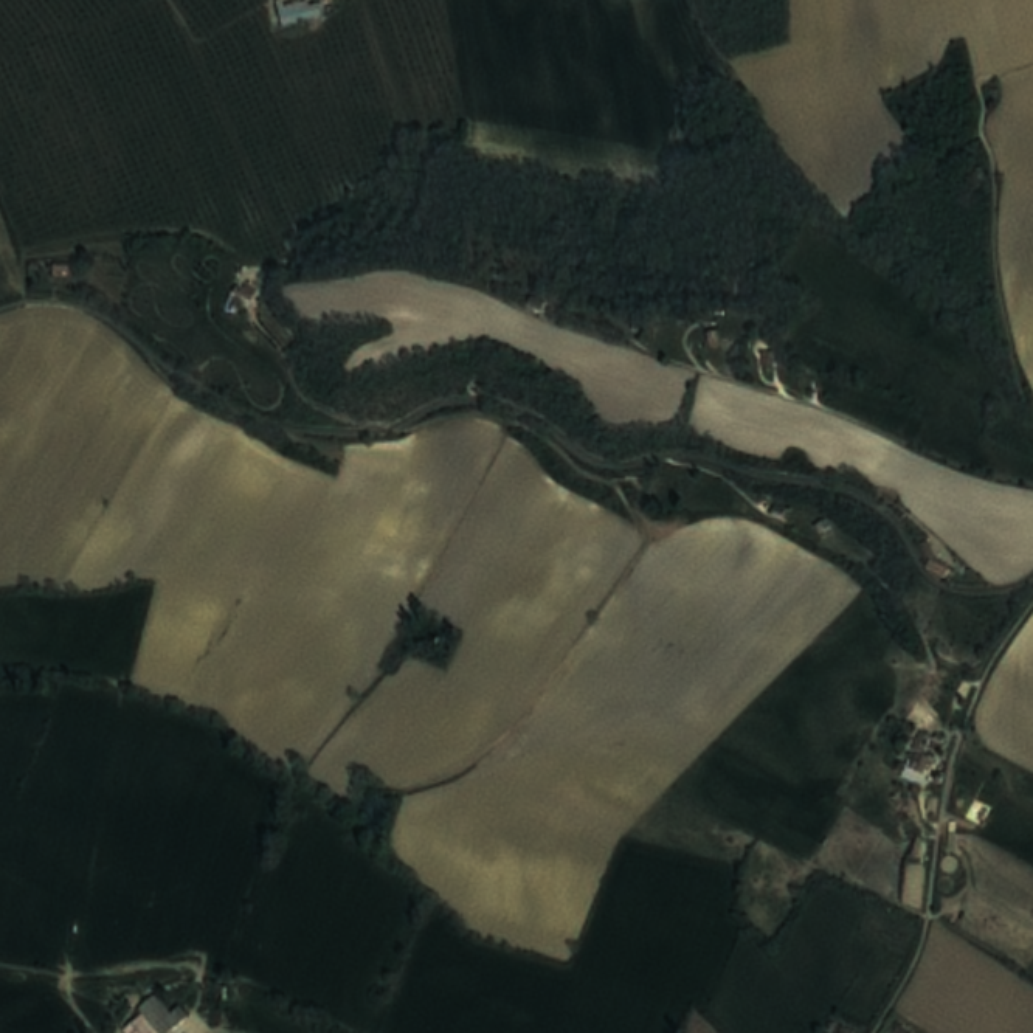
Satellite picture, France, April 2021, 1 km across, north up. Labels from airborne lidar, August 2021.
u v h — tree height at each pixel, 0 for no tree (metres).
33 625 0
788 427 0
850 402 0
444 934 0
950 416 0
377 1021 0
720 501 0
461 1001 0
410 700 0
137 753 0
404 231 9
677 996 0
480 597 0
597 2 0
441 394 20
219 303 0
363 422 19
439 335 0
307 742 0
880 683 0
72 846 0
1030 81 0
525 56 0
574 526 0
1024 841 0
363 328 14
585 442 14
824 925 0
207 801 0
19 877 0
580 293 16
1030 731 0
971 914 0
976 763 0
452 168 21
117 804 0
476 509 0
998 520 0
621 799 0
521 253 11
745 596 0
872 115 0
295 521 0
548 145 0
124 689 11
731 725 0
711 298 6
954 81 6
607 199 19
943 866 0
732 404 0
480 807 0
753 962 0
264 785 0
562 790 0
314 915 0
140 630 0
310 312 0
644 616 0
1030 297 0
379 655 0
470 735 0
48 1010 0
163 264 0
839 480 17
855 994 0
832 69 0
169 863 0
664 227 18
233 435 0
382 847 20
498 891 0
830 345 0
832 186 0
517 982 0
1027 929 0
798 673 0
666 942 0
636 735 0
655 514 26
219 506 0
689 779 0
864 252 20
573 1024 0
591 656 0
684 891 0
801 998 0
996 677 0
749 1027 0
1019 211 0
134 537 0
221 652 0
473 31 0
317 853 0
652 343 0
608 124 0
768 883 0
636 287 10
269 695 0
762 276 16
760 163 22
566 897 0
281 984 0
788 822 0
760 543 0
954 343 0
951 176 13
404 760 0
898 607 13
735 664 0
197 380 18
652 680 0
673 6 0
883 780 0
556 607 0
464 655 0
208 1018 0
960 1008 0
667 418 0
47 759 0
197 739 0
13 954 0
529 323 0
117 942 0
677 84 0
